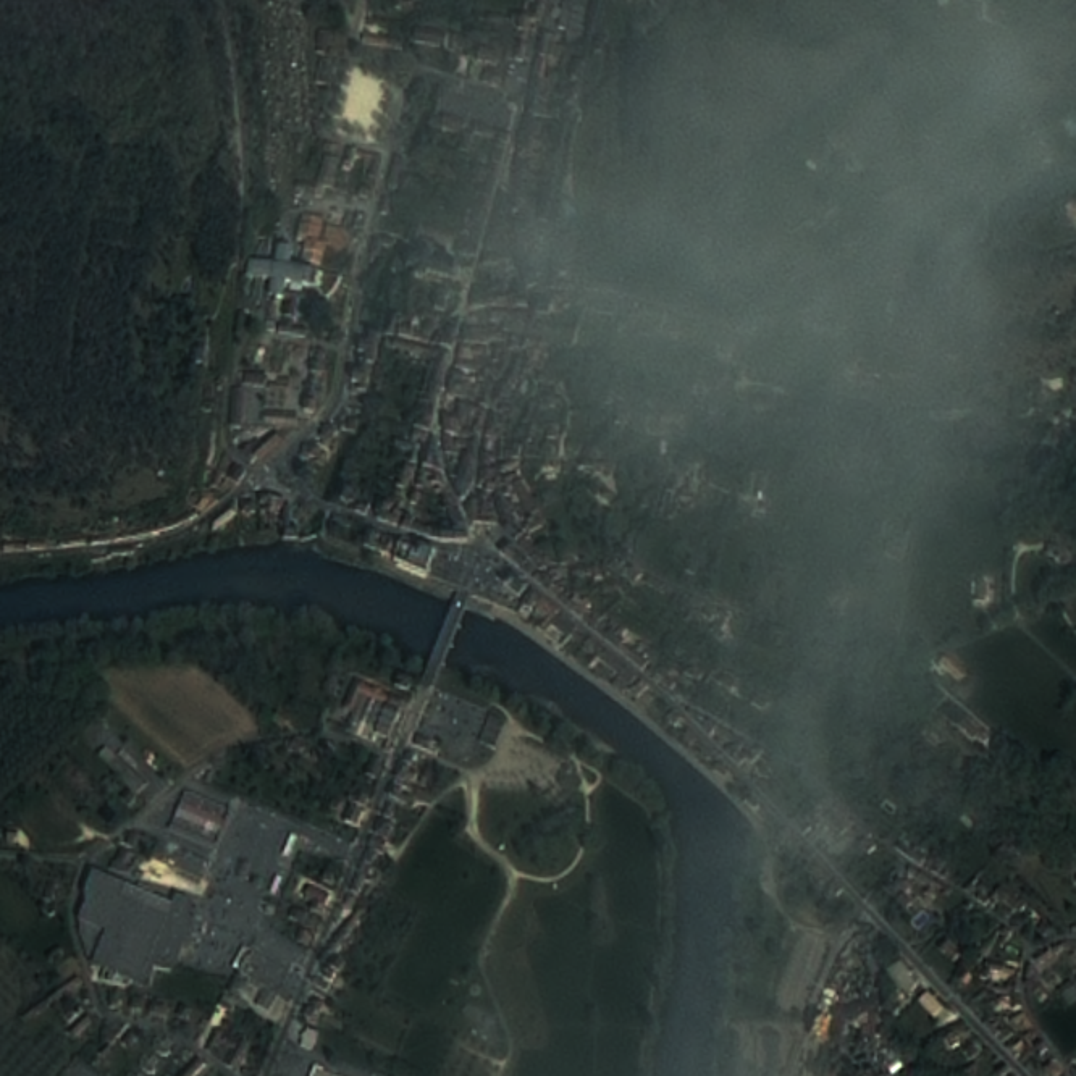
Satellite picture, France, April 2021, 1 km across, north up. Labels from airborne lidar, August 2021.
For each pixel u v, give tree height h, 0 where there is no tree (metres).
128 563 12
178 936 0
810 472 18
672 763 0
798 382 0
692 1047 0
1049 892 0
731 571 0
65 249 23
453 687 0
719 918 0
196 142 19
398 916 6
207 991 0
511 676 0
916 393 0
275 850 0
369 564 18
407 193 26
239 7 7
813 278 10
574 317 7
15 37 19
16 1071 11
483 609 0
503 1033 0
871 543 0
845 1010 0
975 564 0
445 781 17
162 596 0
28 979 10
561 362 17
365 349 0
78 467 18
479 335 0
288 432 0
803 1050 0
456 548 0
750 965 22
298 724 0
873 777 12
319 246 0
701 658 8
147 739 0
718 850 0
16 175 18
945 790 10
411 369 6
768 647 12
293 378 10
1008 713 0
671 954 14
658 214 13
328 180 0
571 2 0
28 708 19
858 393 0
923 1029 0
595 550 8
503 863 0
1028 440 0
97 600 0
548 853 23
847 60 0
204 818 0
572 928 0
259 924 0
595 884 15
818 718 15
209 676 17
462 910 0
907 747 18
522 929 0
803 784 15
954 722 13
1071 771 21
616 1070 0
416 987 0
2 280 18
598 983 0
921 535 0
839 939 0
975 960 14
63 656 25
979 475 16
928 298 16
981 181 8
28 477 18
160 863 0
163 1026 0
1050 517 23
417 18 6
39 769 16
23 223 18
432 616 0
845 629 21
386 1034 0
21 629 16
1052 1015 0
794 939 13
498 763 0
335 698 10
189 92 14
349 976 9
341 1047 0
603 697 0
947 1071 10
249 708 21
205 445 12
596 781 0
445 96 13
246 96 9
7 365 21
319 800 7
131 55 18
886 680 27
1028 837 12
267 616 18
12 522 11
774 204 0
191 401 20
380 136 14
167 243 13
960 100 7
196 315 10
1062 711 8
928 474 20
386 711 0
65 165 12
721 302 10
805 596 0
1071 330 12
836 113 0
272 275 0
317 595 0
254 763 23
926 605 0
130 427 25
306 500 0
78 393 24
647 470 13
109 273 22
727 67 0
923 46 0
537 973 0
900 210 6
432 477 0
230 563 0
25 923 0
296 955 0
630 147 19
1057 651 0
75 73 24
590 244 11
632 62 19
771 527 0
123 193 15
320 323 29
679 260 20
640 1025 0
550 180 8
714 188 8
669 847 17
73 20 17
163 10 20
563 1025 0
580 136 0
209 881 0
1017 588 0
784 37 6
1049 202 12
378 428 7
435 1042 0
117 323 23
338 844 0
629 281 17
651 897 0
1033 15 10
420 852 0
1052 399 14
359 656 10
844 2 0
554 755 14
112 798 8
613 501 9
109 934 0
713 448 18
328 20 20
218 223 27
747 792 12
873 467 18
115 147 8
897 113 10
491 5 6
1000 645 0
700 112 10
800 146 6
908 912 7
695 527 12
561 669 0
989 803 18
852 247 19
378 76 15
